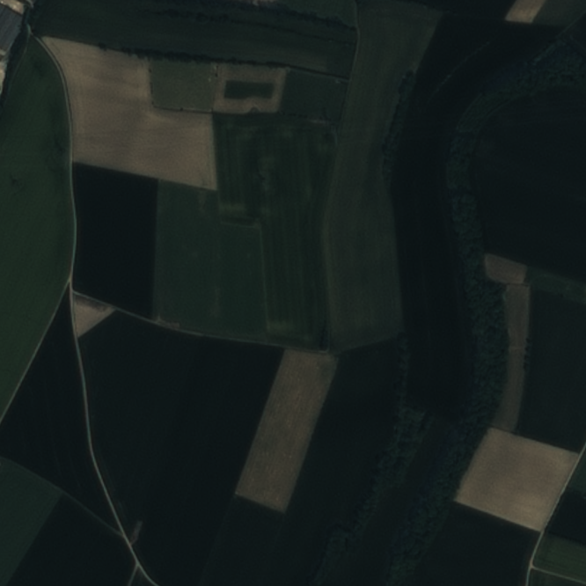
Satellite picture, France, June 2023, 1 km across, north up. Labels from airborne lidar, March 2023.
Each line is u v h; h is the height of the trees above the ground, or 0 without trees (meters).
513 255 0
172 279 0
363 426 0
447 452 23
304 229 0
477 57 0
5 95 7
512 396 0
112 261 0
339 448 0
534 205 0
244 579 0
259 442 0
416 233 0
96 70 0
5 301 0
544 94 0
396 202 0
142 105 0
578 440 0
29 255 0
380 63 0
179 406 0
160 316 0
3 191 0
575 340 0
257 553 0
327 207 0
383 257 0
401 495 0
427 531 18
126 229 0
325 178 0
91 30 0
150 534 0
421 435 8
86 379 0
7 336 0
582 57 13
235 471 0
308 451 0
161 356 0
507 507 0
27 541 0
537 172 0
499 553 0
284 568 0
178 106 0
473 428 19
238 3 11
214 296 0
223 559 0
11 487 0
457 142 17
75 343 0
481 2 0
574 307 0
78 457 0
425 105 0
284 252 0
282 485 0
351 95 0
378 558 0
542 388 0
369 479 0
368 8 0
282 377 0
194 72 0
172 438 0
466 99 0
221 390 0
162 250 0
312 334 0
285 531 0
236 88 0
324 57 0
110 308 0
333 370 0
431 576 0
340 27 22
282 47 0
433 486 26
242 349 0
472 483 0
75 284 0
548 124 0
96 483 0
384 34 0
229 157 0
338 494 0
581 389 0
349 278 0
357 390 0
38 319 0
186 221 0
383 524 0
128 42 0
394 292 0
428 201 0
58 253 0
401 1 0
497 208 0
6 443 0
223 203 0
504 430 0
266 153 0
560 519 0
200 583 0
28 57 0
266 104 0
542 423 0
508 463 0
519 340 0
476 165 0
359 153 0
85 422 0
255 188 0
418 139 0
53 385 0
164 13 10
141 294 0
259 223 0
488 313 21
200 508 0
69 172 0
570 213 0
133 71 0
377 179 0
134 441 0
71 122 0
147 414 0
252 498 0
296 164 0
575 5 0
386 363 0
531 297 0
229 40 0
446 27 0
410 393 0
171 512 0
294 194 0
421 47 0
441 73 0
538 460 0
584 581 0
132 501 0
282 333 0
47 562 0
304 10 0
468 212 19
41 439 0
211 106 0
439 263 0
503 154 0
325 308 0
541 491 0
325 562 14
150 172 0
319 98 0
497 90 19
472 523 0
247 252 0
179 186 0
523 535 0
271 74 0
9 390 0
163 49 0
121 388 0
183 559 0
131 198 0
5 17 0
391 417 0
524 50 0
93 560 0
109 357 0
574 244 0
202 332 0
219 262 0
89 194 0
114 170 0
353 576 0
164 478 0
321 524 0
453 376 0
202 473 0
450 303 0
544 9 0
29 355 0
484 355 24
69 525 0
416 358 0
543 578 0
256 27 0
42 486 0
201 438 0
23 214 0
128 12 0
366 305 0
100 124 0
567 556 0
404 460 18
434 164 0
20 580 0
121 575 0
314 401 0
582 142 0
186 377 0
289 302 0
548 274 0
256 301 0
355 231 0
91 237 0
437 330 0
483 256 8
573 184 0
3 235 0
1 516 0
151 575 0
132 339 0
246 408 0
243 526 0
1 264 0
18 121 0
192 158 0
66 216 0
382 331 0
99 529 0
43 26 0
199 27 0
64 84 0
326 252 0
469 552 0
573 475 0
